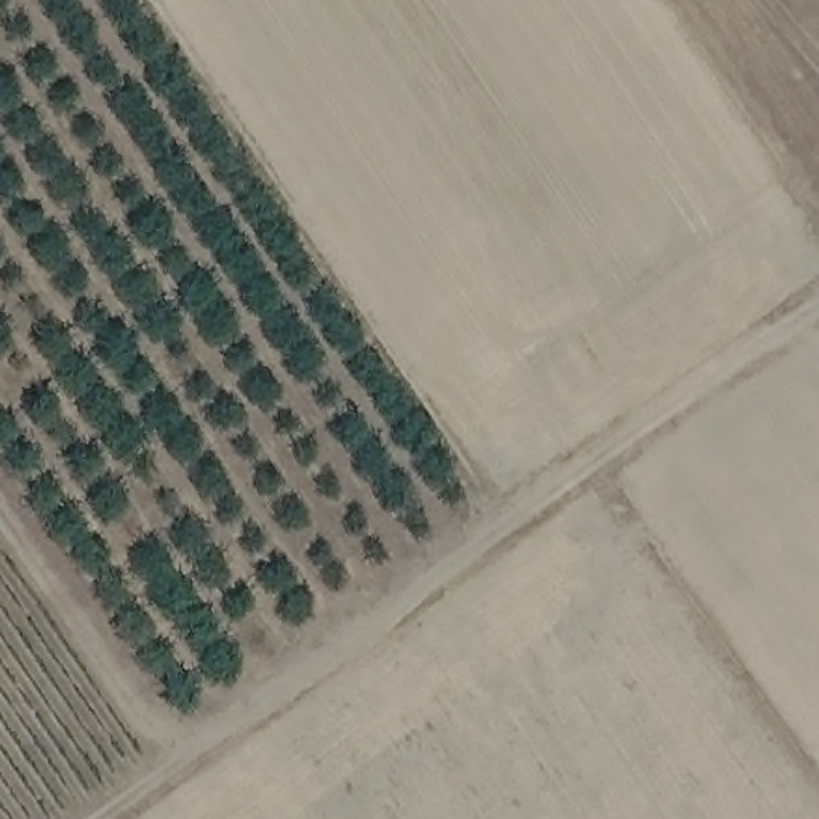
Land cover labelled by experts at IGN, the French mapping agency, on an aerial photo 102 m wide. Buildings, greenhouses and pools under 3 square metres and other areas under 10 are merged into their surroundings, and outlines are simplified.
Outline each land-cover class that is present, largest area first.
<instances>
[{"label":"agricultural land","instance_id":"1","mask_svg":"<svg viewBox=\"0 0 819 819\"><path fill-rule=\"evenodd\" d=\"M160 19L163 32L173 42H179V51L198 77V90L208 96L211 112L221 115V122L243 138L256 163V173L278 192L285 211L298 224L301 246L307 250L317 272L336 282L339 304L362 317L365 342L378 346L387 368L410 384L416 400L429 410L432 422L438 425L445 448L451 451L457 445L470 451L486 467L489 480L499 486L496 499H470L480 509V518L502 515V509L521 489H531L544 473H553L576 461L569 445L595 432L614 413L630 416L646 435L675 413H681L688 403H694L701 394L745 368L761 352L787 342L793 355L771 365L765 374L739 384L720 403H710L704 413L685 422L675 435L662 438L649 454H643L633 467L621 473L624 493L633 499L640 512L637 521L611 525L598 496H582L579 502L566 505L557 518H550L544 528H537L531 537H525L486 573L461 585L454 595H445V601H438L422 617V627L406 630V643H394L390 653L378 662H368L358 672H346L339 681L326 685L320 694H314L298 710L272 723L266 733L253 736L243 749L230 752L224 761L202 771L195 781L179 787L173 797H166L141 819H819V320L813 323L809 317H800L793 310L758 333L749 323L761 317L768 307L781 304L790 291L806 285L819 272V243H813L803 211L790 205V198L771 173L790 154L771 131H758L752 138V128L723 96L717 74L691 48L675 10L662 0H144Z\"/></svg>","mask_w":819,"mask_h":819},{"label":"deciduous trees","instance_id":"2","mask_svg":"<svg viewBox=\"0 0 819 819\"><path fill-rule=\"evenodd\" d=\"M0 26L10 38L29 35L32 29L29 16L13 13L6 0H0ZM48 19L58 26L61 38L80 54L90 80L96 83H102L115 70V61L99 45L93 16L80 6V0H42ZM122 42L144 64V77H128L122 86H112L106 93V102L122 118L134 144L144 150L157 179L186 211L198 240L230 272L234 285L243 294V304L259 317L266 339L282 352L285 368L298 381H307L323 365V355L314 346L310 333L301 326L294 307L278 294L269 272L230 221V211L243 208V214L256 227L266 250L275 256L285 278L304 294L326 339L342 352V362L352 371V378L371 394L374 406L390 422L397 445L413 454L425 483L435 486V493L445 502H461L464 489L454 473L451 451L445 448L438 425L432 422L429 410L416 400L410 384L387 368L378 346L365 342L362 317L339 304L336 282L317 272L307 250L301 246L298 224L285 211L278 192L256 173V163L243 138L221 122V115L211 112L208 96L198 90V77L179 51V42H173L163 32L160 19L144 0H102ZM150 86L160 96H166L179 125L189 128V138L198 147V154L211 163L214 176L230 189L234 198L227 205H218L208 195L205 182L189 166L182 147L166 134L160 115L150 109L144 96V90ZM22 58L29 77L38 80L58 61L48 45H35ZM0 115L10 134L22 141L26 157L42 173V182L51 192V198L67 205L74 227L86 240L90 253L109 275L118 298L134 310L131 326H125L118 317H112L99 301L86 294L83 266L74 259L61 227L51 218H45L38 202L26 198L22 176L0 144V202L6 208L10 224L35 256V262L51 275L54 288L74 304V317L80 320V326L93 333L90 349H77L58 317L48 314L45 320L32 323V342L48 358L54 374L64 381L77 410L93 425V435L86 441L77 438L74 425L61 416V406L45 381H35L22 390V403L26 413L58 441L64 461L74 470V480L86 489L102 521H112L125 512L128 493L122 480H115L106 470L99 454L112 448L115 457L131 464L138 477H144L154 470L147 451L150 435L163 438L166 451L189 470V480L198 489V496L214 502L221 521H230L240 512V499L221 461L205 448L195 422L179 410L176 397L163 387L154 365L141 355V336L163 342L170 358L186 355L189 346L179 330V317L192 314L205 342H211L224 355L227 368L240 378L253 403L266 406L282 394V387L272 378V371L256 358L250 339L240 333V323L221 288L214 285L211 272L202 269L173 237V221L163 211V205L147 195L141 205L128 211V224L138 230L144 246L157 250L166 272L176 278V298L166 301L157 288V278L134 262L118 230L90 205L86 179L74 166V160L64 157L54 134L45 131L38 112L22 99L13 67L0 64ZM96 355H102L118 371V378L138 394V413H128L115 390L102 384V378L90 365ZM70 128L90 150L96 173L106 176L122 163V157L106 141L102 125L90 112H80L70 122ZM186 387L192 400L205 406L208 419L218 429L240 422L246 416L234 403V397L224 387H218L205 371H192L186 378ZM0 464H6L26 486V502L42 518L48 537L61 547H70V560L93 576V595L109 611L115 637L125 640L134 649L138 665L160 681V697L182 713L195 707L202 685H227L237 681L240 662L237 643L218 630L211 605H205L195 592L202 585L218 589L230 617H243L253 598L243 582L230 576L227 560L221 547L211 541L205 521L186 512L170 525L176 547L192 560V573L186 576L173 569V560L154 534H144L128 550L134 573L147 582L150 601L173 621L176 630H182L186 643L198 656L192 669H182L170 643L157 637L150 617L134 605L131 592L125 589L122 569L112 566L109 544L86 528L74 499L64 496L54 473L45 467L42 451L16 425L13 410L0 406ZM336 438L352 454L355 473H362L374 486V496L384 509H394L397 518L416 537H425L429 518L416 493L410 489L406 473L384 454L374 429L358 416L336 432ZM282 480V473L272 461H262L253 470V486L266 496ZM272 512L282 528H301L307 525V509L291 493L278 499ZM310 563L320 569L330 589H342V563L323 537H317L307 550ZM256 576L269 592H275V611L282 621L304 624L314 611L310 589L298 582L294 566L282 553H272L269 560L256 563Z\"/></svg>","mask_w":819,"mask_h":819},{"label":"herbaceous vegetation","instance_id":"3","mask_svg":"<svg viewBox=\"0 0 819 819\"><path fill-rule=\"evenodd\" d=\"M13 13L29 16L32 29L29 35L10 38L0 26V64L13 67L22 99L38 112L45 131L54 134L64 157L74 160V166L86 179L90 205L118 230L134 262L157 278V288L166 301L176 298V278L166 272L157 250L144 246L138 230L128 224V211L141 205L147 195L163 205V211L173 221V237L202 269L211 272L214 285L221 288L240 323V333L250 339L256 358L272 371V378L282 387V394L266 406L253 403L240 378L227 368L224 355L211 342H205L192 314L179 317V330L189 346L186 355L170 358L163 342L141 336V355L154 365L163 387L176 397L179 410L195 422L205 448L221 461L240 499V512L230 521H221L214 502L198 496V489L189 480V470L166 451L163 438L150 435L147 451L154 470L144 477H138L131 464L115 457L112 448L99 454L106 470L115 480H122L128 493L125 512L112 521H102L86 489L74 480V470L64 461L58 441L26 413L22 403V390L35 381H45L61 406V416L74 425L77 438L86 441L93 435V425L77 410L64 381L54 374L48 358L32 342V323L45 320L48 314L58 317L77 349H90L93 333L80 326V320L74 317V304L54 288L51 275L35 262V256L10 224L6 208L0 202V406L13 410L16 425L42 451L45 467L54 473L64 496L74 499L86 528L109 544L112 566L122 569L125 589L131 592L134 605L150 617L157 637L170 643L182 669H192L198 656L186 643L182 630H176L173 621L150 601L147 582L134 573L128 550L144 534H154L173 560V569L186 576L192 573V560L176 547L170 525L186 512L205 521L211 541L221 547L227 560L230 576L243 582L253 598L243 617H230L218 589L202 585L195 592L205 605H211L218 630L237 643L240 662H246L250 656H262L285 665L294 659L298 649H323L326 637L336 633L339 624L374 614L387 595H400L410 585L416 573L429 569L435 560L457 550L467 541V521L477 525L480 518V509L470 499H496L499 486L489 480L486 467L470 451L457 445L451 451L454 473L464 489L461 502H445L435 493V486L425 483L413 454L397 445L390 422L374 406L371 394L352 378V371L342 362V352L326 339L304 294L285 278L275 256L266 250L256 227L243 214V208L230 211V221L269 272L278 294L294 307L301 326L310 333L314 346L323 355V365L307 381H298L285 368L282 352L266 339L259 317L243 304V294L234 285L230 272L198 240L186 211L157 179L144 150L134 144L122 118L106 102V93L112 86H122L128 77H144V64L122 42L102 0H80V6L93 16L99 45L115 61V70L102 83H96L90 80L80 54L61 38L58 26L48 19L42 0H6ZM35 45H48L58 61L38 80L29 77L22 58ZM80 112H90L102 125L106 141L122 157V163L106 176L96 173L90 150L70 128V122ZM192 371H205L218 387H224L234 397V403L246 416L240 422L218 429L208 419L205 406L192 400L186 387V378ZM358 416L374 429L384 454L406 473L410 489L416 493L429 518L425 537H416L397 518L394 509H384L374 496V486L362 473H355L352 454L336 438V432ZM262 461H272L282 473V480L266 496L253 486V470ZM291 493L307 509V525L301 528H282L272 512L278 499ZM317 537H323L342 563V589H330L320 569L310 563L307 550ZM272 553H282L294 566L298 582L310 589L314 611L304 624L282 621L275 611V592H269L256 576V563L269 560ZM144 96L150 109L160 115L166 134L182 147L189 166L205 182L208 195L218 205H227L234 198L230 189L214 176L211 163L198 154V147L189 138V128L179 125L166 96H160L150 86L144 90ZM0 144L22 176L26 198L38 202L45 218H51L61 227L74 259L83 266L86 294L99 301L112 317H118L125 326H131L134 310L118 298L109 275L90 253L86 240L74 227L67 205L51 198V192L42 182V173L26 157L22 141L10 134L0 115ZM90 365L102 378V384L115 390L128 413H138V394L118 378V371L102 355H96ZM234 694L227 685H202L195 707L202 717L227 710Z\"/></svg>","mask_w":819,"mask_h":819},{"label":"pervious surface","instance_id":"4","mask_svg":"<svg viewBox=\"0 0 819 819\"><path fill-rule=\"evenodd\" d=\"M793 355L787 342L761 352L745 368L701 394L694 403H688L681 413H675L646 435L630 416L614 413L595 432L569 445L576 461L553 473H544L531 489H521L502 509V515L480 518L477 525L467 521V541L457 550L435 560L429 569L416 573L410 585L400 595H387L374 614L339 624L336 633L326 637L323 649H298L294 659L285 665L262 656H250L246 662H240L237 681L227 685L234 694L227 710L202 717L195 707L182 713L160 697V681L138 665L134 649L125 640L115 637L109 611L93 595V576L70 560V547H61L48 537L42 518L26 502V486L6 464H0V537L6 541L10 553L32 579V585L42 592V598L51 605L54 617L64 624L74 646L86 656L90 669L112 694L128 726L141 739L157 742V765L147 774L131 777V784L115 790L102 806H96L83 819H141L166 797H173L179 787L195 781L202 771L224 761L230 752L243 749L253 736L266 733L272 723L298 710L314 694H320L326 685L339 681L346 672H358L368 662H378L390 653L394 643H406V630L422 627V617L438 601H445V595H454L461 585L486 573L525 537H531L537 528H544L550 518H557L566 505L579 502L582 496H598L611 525L637 521L640 512L633 499L624 493L621 473L633 467L643 454H649L662 438L675 435L685 422L704 413L710 403H720L739 384L765 374L771 365Z\"/></svg>","mask_w":819,"mask_h":819},{"label":"vineyard","instance_id":"5","mask_svg":"<svg viewBox=\"0 0 819 819\"><path fill-rule=\"evenodd\" d=\"M157 765V742L141 739L128 726L112 694L90 669L86 656L74 646L64 624L54 617L51 605L42 598V592L32 585V579L10 553L6 541L0 537V819H83L96 806H102L115 790L131 784V777L147 774Z\"/></svg>","mask_w":819,"mask_h":819},{"label":"plowed land","instance_id":"6","mask_svg":"<svg viewBox=\"0 0 819 819\"><path fill-rule=\"evenodd\" d=\"M675 10L691 48L717 74L723 96L752 128V138L758 131H771L790 154L771 173L790 198V205L803 211L813 243H819V0H662ZM793 310L800 317H809L813 323L819 320V272L806 285L790 291L781 304L768 307L761 317L749 323L758 333Z\"/></svg>","mask_w":819,"mask_h":819}]
</instances>
